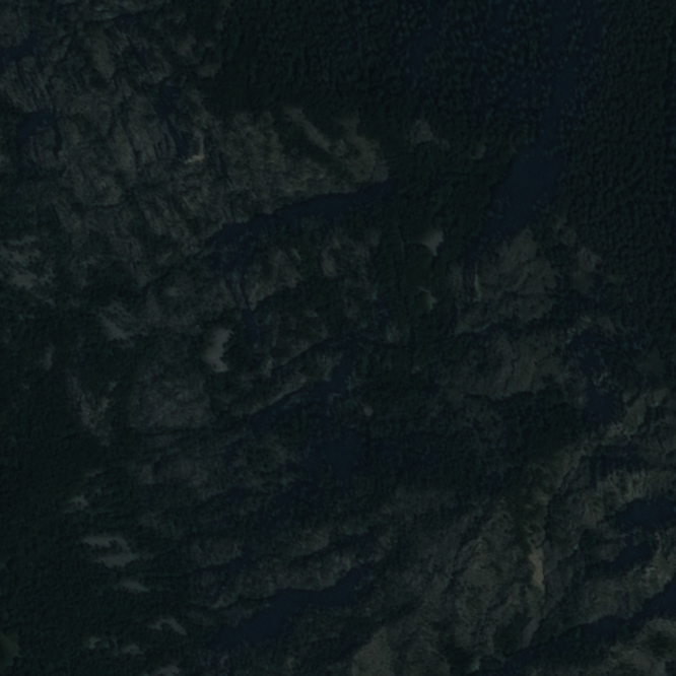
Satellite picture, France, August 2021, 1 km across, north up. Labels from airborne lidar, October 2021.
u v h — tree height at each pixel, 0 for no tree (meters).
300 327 10
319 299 19
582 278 0
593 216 29
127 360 7
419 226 19
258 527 7
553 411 19
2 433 6
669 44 35
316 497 16
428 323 18
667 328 11
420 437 10
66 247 8
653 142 30
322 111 14
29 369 9
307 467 7
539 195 16
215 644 7
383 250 13
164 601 13
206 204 6
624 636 11
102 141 7
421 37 24
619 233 26
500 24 18
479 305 6
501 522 5
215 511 6
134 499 7
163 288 8
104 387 6
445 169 16
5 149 6
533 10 15
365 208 14
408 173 20
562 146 17
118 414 6
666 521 15
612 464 12
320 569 8
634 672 6
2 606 15
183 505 7
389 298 10
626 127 27
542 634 16
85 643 8
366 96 18
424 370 8
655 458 0
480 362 12
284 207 20
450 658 12
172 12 7
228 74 19
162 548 7
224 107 12
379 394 18
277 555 12
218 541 9
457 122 23
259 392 7
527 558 9
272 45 24
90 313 6
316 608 5
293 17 27
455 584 10
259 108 8
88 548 9
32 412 10
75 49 6
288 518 6
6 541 21
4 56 9
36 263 7
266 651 10
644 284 26
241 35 9
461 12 18
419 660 8
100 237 10
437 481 8
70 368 7
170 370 8
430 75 17
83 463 17
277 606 7
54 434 14
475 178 19
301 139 13
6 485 18
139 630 9
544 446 12
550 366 0
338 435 6
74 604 13
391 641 6
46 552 16
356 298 9
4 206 7
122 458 11
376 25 22
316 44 20
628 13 13
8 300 7
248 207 9
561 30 19
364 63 20
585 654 12
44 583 18
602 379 9
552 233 16
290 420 12
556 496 9
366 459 11
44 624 18
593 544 13
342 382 8
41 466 12
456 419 8
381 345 7
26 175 13
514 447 11
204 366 15
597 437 7
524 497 8
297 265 8
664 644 18
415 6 12
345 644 9
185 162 8
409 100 19
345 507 8
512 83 26
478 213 19
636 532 8
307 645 6
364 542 8
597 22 9
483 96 19
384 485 6
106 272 8
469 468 13
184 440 7
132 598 8
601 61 10
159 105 11
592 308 22
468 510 11
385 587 8
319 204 17
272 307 7
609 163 28
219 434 7
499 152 15
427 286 9
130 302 7
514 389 0
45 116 8
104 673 12
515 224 6
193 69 9
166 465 7
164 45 7
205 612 8
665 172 15
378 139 7
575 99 23
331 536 7
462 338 11
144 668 14
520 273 0
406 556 6
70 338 9
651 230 28
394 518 9
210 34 10
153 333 8
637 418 0
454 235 15
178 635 8
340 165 11
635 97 26
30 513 11
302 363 8
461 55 28
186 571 9
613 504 11
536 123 12
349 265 8
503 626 11
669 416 0
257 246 14
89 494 9
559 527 6
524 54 22
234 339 10
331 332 11
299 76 24
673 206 16
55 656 16
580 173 28
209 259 13
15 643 0
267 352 8
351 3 19
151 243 9
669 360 9
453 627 6
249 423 10
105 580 13
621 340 15
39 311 8
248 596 9
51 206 9
